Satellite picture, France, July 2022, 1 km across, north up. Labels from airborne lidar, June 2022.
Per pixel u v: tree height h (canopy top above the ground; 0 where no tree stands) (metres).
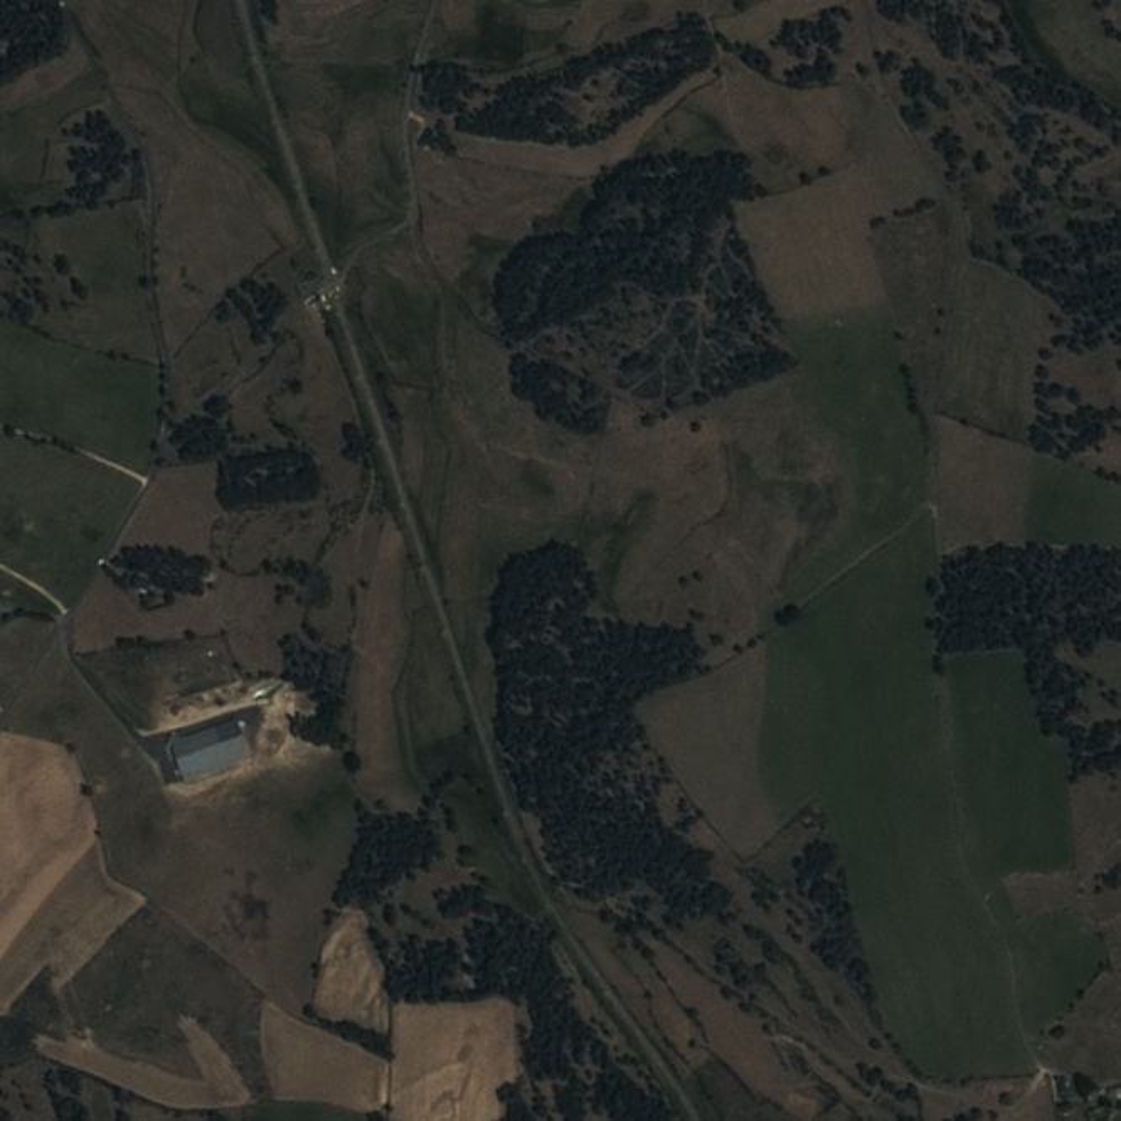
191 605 0
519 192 0
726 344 7
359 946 0
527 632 18
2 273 0
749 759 0
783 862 0
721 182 20
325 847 0
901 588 0
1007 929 0
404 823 10
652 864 17
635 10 0
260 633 0
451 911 21
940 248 0
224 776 0
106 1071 0
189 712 0
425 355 0
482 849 0
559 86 11
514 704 14
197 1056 0
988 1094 0
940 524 0
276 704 0
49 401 0
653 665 18
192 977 0
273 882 0
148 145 0
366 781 0
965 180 0
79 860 0
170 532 0
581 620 7
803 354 0
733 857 0
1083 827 0
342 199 0
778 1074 0
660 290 13
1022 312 0
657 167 23
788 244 0
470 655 0
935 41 10
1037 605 20
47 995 0
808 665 0
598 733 15
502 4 0
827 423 0
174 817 0
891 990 0
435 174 0
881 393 0
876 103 0
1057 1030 9
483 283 0
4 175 0
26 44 10
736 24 0
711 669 8
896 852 0
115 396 0
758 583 0
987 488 0
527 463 0
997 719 0
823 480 0
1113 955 0
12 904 0
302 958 0
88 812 0
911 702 0
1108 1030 0
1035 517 0
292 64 0
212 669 0
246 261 0
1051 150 12
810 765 0
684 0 0
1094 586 9
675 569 0
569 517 0
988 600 21
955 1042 0
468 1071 0
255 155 0
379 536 0
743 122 0
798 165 0
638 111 15
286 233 0
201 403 0
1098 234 16
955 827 0
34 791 0
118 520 0
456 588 0
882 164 0
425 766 0
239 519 0
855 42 0
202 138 0
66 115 0
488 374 0
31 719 0
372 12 0
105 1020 0
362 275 0
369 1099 0
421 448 0
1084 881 0
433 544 0
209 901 0
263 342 13
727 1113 0
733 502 0
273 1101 0
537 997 14
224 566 10
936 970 0
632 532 0
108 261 0
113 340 0
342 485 0
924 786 0
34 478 0
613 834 20
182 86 0
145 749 0
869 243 0
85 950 0
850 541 0
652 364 10
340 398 0
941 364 0
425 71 11
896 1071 0
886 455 0
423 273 0
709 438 0
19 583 0
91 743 0
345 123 0
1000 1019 0
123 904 0
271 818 0
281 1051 0
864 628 0
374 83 0
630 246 17
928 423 0
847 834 0
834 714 0
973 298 0
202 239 0
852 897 0
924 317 0
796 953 0
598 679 15
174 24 0
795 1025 0
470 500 0
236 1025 0
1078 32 0
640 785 11
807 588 0
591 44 0
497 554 0
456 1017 0
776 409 0
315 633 14
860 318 0
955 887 0
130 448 0
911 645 0
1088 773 9
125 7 0
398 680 0
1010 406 0
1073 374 0
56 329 0
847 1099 0
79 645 0
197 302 0
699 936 0
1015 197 8
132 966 0
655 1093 9
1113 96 0
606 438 0
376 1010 0
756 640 7
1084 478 0
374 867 16
